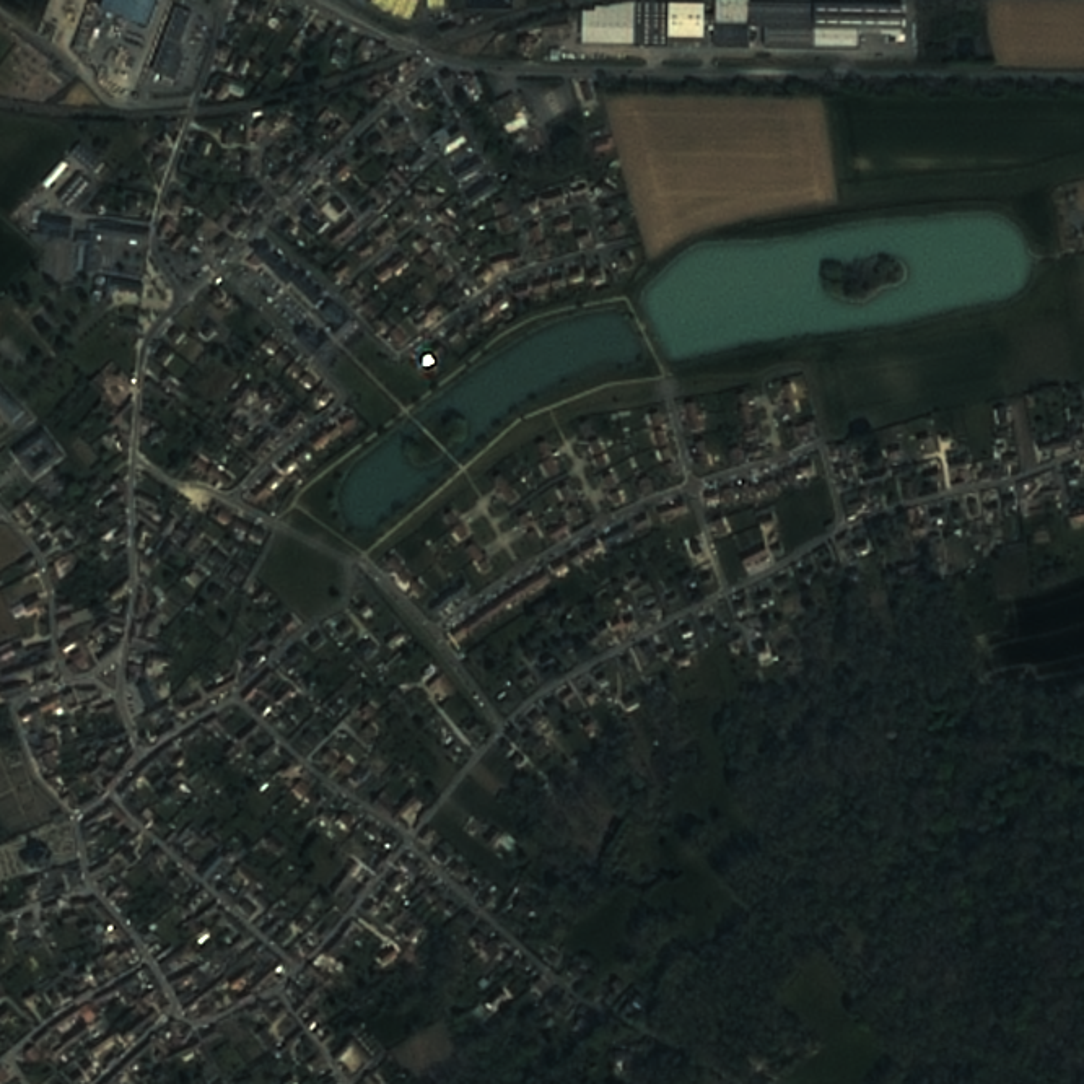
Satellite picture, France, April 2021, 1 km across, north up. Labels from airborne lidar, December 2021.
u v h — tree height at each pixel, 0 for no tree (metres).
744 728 20
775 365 0
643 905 0
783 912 26
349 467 0
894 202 0
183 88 0
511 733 7
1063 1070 26
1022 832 23
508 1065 30
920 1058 9
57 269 0
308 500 0
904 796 21
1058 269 0
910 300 0
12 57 0
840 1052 0
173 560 7
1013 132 0
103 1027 0
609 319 0
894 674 24
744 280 0
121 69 0
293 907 7
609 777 26
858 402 0
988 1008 26
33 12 0
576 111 0
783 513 0
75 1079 0
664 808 6
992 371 0
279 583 0
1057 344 0
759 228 0
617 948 0
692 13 0
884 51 0
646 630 0
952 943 25
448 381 0
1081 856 31
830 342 0
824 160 0
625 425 0
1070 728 30
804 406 0
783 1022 21
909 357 0
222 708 0
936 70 0
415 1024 17
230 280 0
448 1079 23
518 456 0
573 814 21
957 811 7
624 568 9
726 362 0
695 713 0
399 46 0
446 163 0
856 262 7
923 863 26
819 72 0
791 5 0
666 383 0
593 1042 28
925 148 0
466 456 7
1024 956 25
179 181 0
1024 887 22
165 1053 0
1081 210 0
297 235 0
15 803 0
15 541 0
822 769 30
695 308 0
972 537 0
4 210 0
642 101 0
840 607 7
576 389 0
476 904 0
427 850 0
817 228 0
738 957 24
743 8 0
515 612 0
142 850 0
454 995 8
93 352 0
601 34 0
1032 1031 27
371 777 0
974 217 0
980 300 0
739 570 0
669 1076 25
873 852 26
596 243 0
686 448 0
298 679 6
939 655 19
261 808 0
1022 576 0
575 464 0
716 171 0
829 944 18
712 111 0
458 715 0
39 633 0
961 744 29
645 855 0
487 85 0
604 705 0
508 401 0
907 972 26
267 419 0
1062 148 0
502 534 0
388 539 0
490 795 0
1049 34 0
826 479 0
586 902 25
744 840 0
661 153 0
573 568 0
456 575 0
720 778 0
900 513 10
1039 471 0
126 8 0
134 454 0
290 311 0
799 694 20
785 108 0
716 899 0
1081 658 0
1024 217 0
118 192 10
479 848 0
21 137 0
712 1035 25
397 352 0
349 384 0
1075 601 0
